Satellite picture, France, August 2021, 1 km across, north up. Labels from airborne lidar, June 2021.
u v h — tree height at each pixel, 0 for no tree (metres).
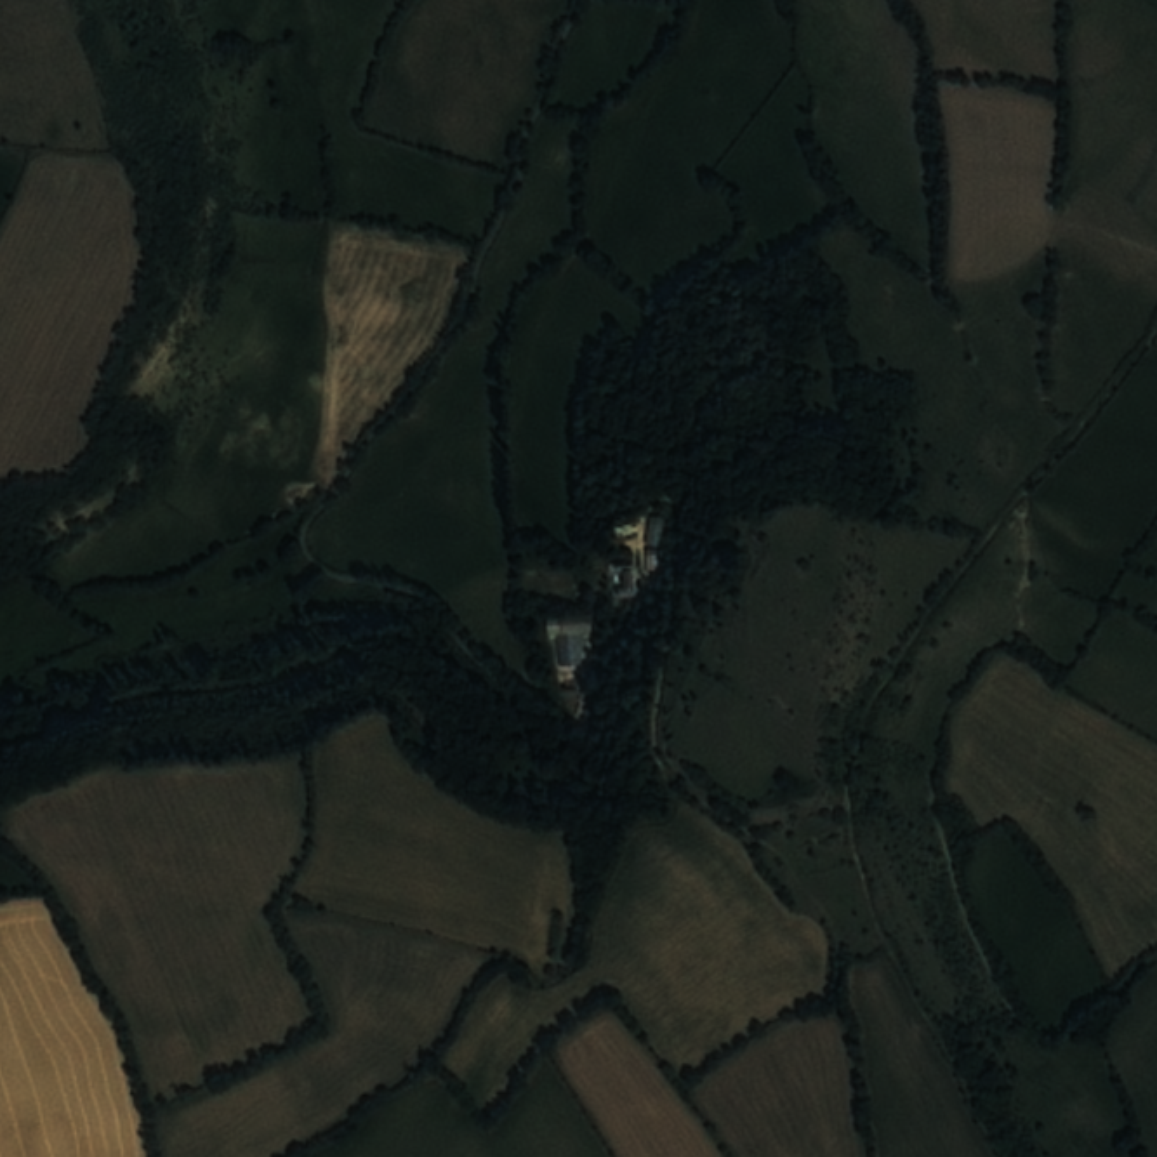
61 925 12
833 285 21
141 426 16
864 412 15
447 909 0
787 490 24
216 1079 18
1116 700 0
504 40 0
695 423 13
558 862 0
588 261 17
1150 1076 0
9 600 0
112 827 0
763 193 0
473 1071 0
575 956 15
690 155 0
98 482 12
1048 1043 17
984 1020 9
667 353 25
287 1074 0
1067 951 0
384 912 0
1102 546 0
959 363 0
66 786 14
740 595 10
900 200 0
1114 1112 0
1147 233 0
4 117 0
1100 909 0
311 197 0
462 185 0
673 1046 0
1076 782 0
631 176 0
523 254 0
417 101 0
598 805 16
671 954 0
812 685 0
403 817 0
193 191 10
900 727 0
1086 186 0
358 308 0
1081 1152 0
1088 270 0
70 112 0
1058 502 0
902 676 9
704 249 0
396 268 0
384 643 22
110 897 0
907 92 0
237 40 13
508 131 0
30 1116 0
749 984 0
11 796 20
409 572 0
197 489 0
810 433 27
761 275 20
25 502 16
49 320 0
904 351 0
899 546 0
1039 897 0
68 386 0
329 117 0
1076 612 0
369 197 0
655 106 0
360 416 0
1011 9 0
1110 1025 13
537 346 0
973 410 0
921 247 0
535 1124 0
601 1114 0
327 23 0
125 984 0
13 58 0
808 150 16
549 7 0
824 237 15
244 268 0
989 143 0
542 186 0
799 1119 0
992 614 0
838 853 0
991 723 0
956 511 0
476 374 0
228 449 0
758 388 17
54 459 0
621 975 0
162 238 11
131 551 0
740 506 19
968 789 0
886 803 10
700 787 9
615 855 14
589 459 16
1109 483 0
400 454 0
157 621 0
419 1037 0
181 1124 0
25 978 0
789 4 18
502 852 0
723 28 0
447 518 0
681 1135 0
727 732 0
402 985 0
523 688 21
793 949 0
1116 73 0
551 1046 14
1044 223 0
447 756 22
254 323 0
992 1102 17
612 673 13
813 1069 0
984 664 13
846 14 0
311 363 0
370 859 0
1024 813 0
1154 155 0
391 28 8
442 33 0
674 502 11
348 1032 0
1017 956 0
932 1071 0
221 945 0
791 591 0
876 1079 0
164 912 0
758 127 0
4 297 0
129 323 10
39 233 0
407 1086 7
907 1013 0
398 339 0
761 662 0
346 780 0
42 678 0
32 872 8
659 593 7
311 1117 0
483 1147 0
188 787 0
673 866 0
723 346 23
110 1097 0
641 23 0
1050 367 9
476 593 0
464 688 25
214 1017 0
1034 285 0
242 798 0
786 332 23
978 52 0
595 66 0
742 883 0
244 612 0
